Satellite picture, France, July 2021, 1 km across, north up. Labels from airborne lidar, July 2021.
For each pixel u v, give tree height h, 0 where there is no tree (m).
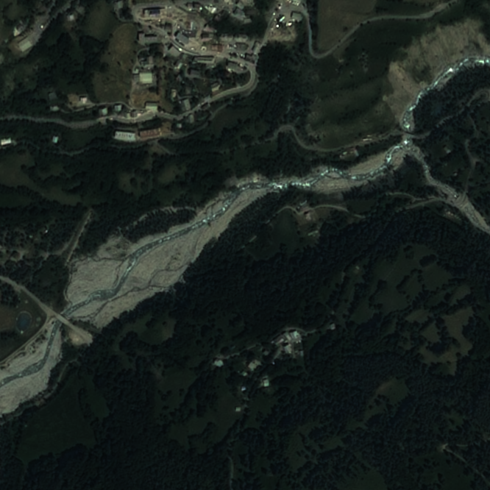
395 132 0
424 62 0
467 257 19
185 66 0
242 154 0
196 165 14
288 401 9
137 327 0
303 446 0
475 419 23
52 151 9
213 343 9
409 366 18
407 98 0
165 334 0
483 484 27
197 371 11
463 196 0
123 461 35
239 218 6
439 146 0
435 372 12
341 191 0
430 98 13
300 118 6
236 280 31
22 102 12
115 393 24
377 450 19
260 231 13
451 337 12
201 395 24
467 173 0
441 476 19
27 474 8
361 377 20
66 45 19
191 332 11
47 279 0
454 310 12
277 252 0
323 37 0
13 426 11
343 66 8
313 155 12
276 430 16
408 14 0
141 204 16
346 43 0
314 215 0
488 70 13
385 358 31
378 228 33
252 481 13
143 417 33
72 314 0
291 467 9
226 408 0
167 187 15
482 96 7
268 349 6
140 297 0
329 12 0
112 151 12
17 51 0
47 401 18
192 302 26
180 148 14
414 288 0
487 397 31
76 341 0
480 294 11
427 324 13
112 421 17
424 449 25
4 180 0
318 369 21
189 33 0
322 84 0
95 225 11
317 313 18
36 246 9
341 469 27
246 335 13
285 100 17
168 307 17
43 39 20
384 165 0
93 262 0
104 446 23
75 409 0
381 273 0
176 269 0
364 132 0
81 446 10
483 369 15
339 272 15
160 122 13
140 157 16
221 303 18
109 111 12
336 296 15
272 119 11
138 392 14
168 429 18
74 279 0
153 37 0
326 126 0
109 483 19
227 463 18
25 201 0
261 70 17
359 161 17
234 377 15
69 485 30
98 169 28
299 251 6
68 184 13
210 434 13
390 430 30
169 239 0
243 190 0
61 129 14
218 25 13
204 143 17
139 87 0
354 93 0
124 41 0
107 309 0
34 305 0
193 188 13
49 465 27
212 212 0
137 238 8
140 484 33
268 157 6
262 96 14
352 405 31
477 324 18
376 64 0
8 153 18
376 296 7
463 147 14
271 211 13
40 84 13
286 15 0
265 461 0
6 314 0
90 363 17
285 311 15
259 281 32
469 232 15
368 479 0
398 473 11
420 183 0
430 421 27
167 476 28
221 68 11
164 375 10
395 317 8
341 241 29
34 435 0
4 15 9
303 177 7
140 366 19
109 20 0
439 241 13
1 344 0
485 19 6
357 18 0
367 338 20
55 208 18
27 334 0
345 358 13
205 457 18
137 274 0
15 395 0
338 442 0
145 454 32
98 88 0
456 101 10
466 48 0
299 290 26
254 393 9
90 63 17
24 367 0
